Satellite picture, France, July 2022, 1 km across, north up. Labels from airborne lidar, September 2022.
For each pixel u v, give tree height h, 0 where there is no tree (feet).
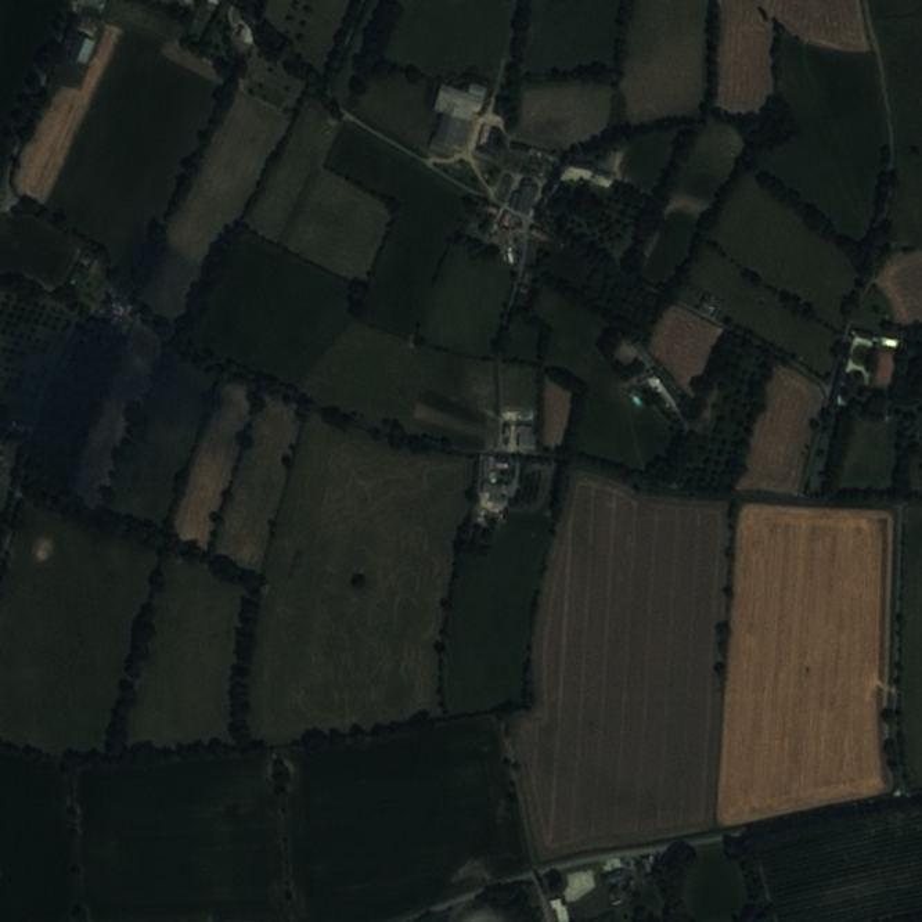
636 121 0
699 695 0
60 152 0
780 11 0
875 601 0
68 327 23
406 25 0
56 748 0
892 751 47
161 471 0
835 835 20
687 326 0
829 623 0
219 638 0
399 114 0
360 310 42
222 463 0
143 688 0
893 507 0
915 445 34
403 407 0
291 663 0
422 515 0
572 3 0
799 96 0
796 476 0
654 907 0
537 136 0
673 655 0
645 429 0
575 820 0
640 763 0
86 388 54
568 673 0
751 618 0
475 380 0
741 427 21
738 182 35
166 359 30
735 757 0
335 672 0
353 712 0
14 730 0
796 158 0
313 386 0
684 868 70
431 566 0
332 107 41
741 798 0
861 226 0
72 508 72
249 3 40
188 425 0
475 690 0
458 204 0
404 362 0
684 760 0
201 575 0
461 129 0
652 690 0
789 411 0
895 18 0
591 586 0
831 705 0
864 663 0
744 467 54
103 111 0
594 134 0
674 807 0
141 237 0
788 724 0
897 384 55
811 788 0
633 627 0
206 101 0
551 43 0
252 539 0
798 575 0
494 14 0
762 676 0
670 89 0
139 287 31
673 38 0
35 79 66
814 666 0
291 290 0
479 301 0
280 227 0
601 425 0
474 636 0
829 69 0
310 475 0
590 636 0
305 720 0
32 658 0
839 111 0
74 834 31
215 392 28
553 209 34
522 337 0
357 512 0
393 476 0
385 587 0
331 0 0
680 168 48
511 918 47
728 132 0
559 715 0
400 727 42
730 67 0
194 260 0
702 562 0
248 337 0
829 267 0
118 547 0
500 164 0
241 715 57
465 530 44
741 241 0
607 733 0
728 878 0
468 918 31
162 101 0
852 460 0
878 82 0
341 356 0
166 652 0
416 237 0
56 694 0
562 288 41
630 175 0
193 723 0
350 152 0
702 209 0
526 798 0
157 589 51
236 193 0
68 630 0
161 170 0
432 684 0
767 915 66
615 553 0
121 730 63
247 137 0
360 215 0
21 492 27
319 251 0
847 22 0
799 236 0
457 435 0
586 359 0
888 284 0
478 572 0
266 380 54
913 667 0
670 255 0
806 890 19
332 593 0
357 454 0
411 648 0
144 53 0
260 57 19
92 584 0
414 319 0
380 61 71
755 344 43
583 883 0
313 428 0
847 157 0
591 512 0
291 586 0
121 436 0
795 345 0
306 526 0
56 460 68
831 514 0
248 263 0
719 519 0
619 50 40
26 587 0
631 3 30
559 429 0
